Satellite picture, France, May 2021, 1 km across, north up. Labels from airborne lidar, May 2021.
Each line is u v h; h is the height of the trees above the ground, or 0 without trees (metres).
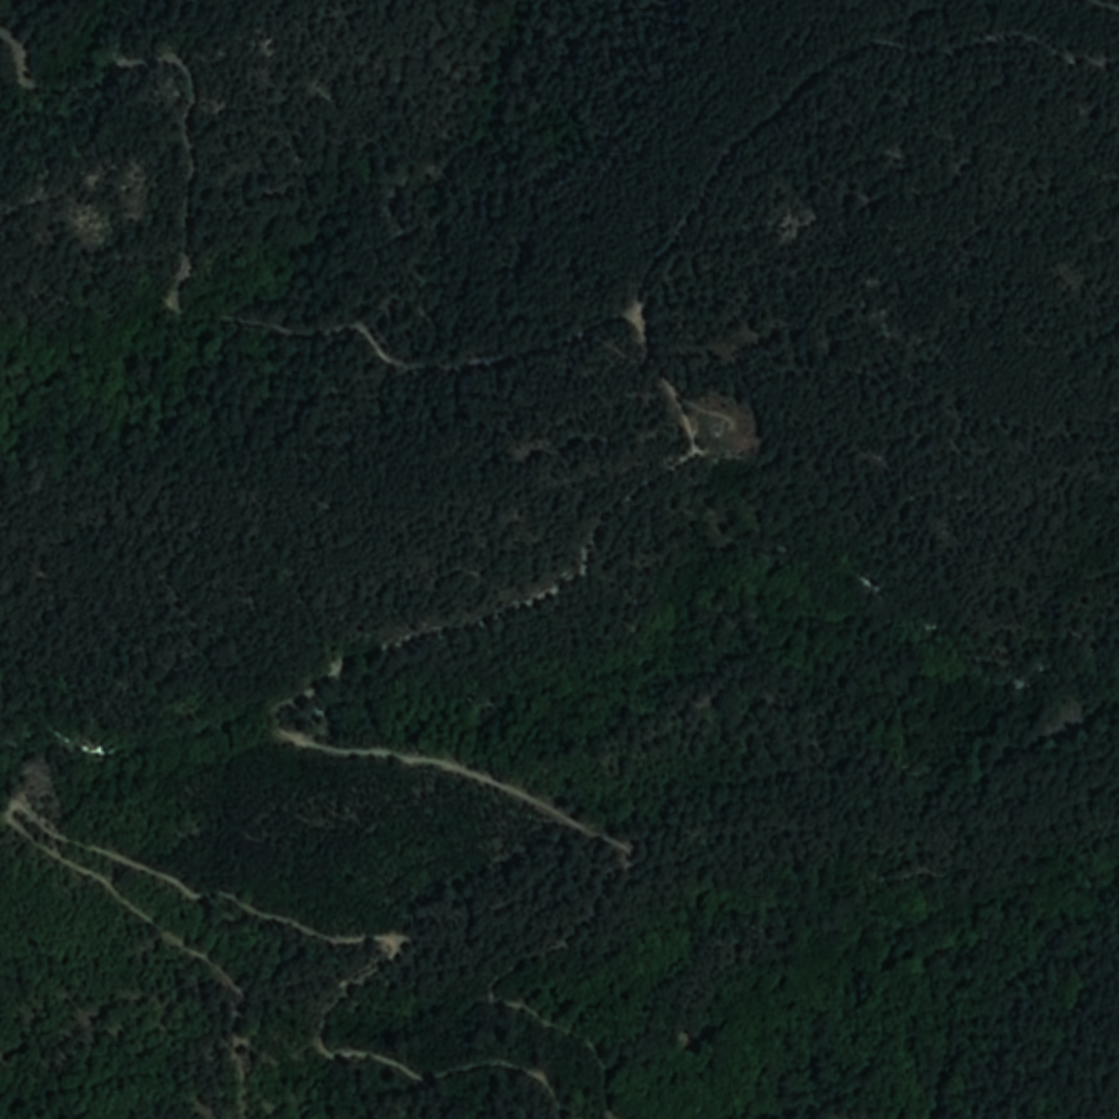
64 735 18
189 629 26
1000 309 23
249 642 28
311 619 24
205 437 24
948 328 20
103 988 22
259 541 28
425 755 15
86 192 16
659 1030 27
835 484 28
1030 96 26
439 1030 13
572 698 24
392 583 19
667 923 24
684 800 26
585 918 31
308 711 36
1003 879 32
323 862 11
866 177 22
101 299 32
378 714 28
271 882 12
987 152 20
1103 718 25
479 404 27
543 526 21
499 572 23
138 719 22
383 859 7
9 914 10
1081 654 18
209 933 22
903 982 26
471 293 29
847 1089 16
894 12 25
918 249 18
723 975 25
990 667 25
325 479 22
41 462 25
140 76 8
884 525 28
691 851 24
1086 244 30
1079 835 26
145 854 11
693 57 21
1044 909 21
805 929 28
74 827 14
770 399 26
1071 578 18
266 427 29
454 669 34
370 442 27
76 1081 19
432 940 26
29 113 26
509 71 35
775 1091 20
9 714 30
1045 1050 22
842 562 25
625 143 25
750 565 26
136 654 25
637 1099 36
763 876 9
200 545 21
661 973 15
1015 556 24
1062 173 25
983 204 22
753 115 25
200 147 24
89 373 17
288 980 18
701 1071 28
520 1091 23
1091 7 17
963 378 26
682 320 32
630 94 22
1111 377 27
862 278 16
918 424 21
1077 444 22
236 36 14
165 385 14
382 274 21
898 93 24
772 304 26
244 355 20
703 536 22
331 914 9
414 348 14
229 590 21
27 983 27
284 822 13
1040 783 30
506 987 15
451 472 24
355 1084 8
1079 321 26
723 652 12
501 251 29
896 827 26
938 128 12
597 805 10
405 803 12
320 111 31
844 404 25
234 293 22
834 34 24
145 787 22
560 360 23
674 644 17
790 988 25
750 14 25
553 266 26
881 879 9
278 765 14
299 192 24
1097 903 23
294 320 30
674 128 20
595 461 28
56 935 11
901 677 31
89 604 21
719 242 17
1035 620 10
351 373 29
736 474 18
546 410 21
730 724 27
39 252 32
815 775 28
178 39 15
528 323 23
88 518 23
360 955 16
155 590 21
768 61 25
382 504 14
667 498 23
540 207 29
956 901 36
